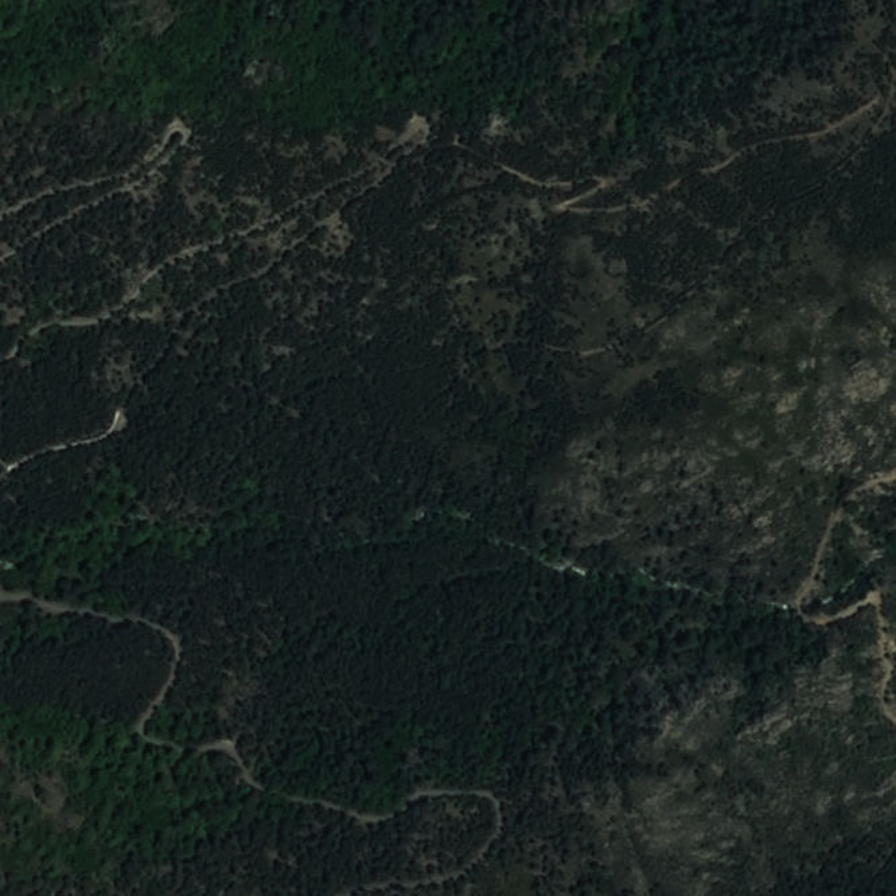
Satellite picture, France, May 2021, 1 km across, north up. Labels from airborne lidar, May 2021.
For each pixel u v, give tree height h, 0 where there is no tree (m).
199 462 24
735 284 9
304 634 27
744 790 12
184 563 20
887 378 0
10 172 17
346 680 23
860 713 10
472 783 17
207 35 15
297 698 24
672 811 0
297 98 17
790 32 23
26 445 16
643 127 10
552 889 13
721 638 37
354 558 34
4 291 14
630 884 0
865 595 6
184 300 12
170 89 7
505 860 24
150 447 32
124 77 12
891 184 12
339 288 16
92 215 22
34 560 18
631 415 9
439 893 26
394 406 15
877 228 14
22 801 6
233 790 17
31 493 24
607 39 25
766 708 16
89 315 22
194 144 12
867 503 8
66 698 25
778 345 0
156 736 14
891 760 9
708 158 10
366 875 21
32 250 15
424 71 19
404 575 30
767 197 13
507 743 18
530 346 15
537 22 22
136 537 20
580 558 21
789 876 8
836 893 30
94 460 23
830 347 0
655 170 12
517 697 26
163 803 25
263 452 25
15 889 19
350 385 28
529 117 15
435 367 15
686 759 9
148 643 15
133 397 19
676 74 32
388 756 13
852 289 0
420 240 14
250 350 24
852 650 11
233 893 25
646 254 12
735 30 23
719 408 0
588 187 12
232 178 13
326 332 21
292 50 13
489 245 12
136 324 15
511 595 28
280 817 17
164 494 20
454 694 26
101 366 14
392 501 31
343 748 34
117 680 17
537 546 30
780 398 0
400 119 11
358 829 20
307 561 32
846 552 24
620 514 15
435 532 24
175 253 10
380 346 14
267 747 6
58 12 10
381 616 33
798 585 6
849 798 0
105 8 13
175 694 23
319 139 13
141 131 14
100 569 23
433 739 15
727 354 0
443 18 32
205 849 26
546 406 15
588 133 9
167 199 14
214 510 23
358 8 33
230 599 28
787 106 6
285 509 26
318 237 17
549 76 11
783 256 9
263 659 33
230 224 15
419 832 9
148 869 26
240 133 11
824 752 7
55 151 16
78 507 27
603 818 0
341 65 19
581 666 9
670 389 10
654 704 8
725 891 7
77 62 8
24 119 6
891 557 7
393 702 26
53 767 13
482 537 35
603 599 32
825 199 11
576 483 0
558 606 31
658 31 31
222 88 14
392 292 12
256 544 32
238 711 16
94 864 7
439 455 13
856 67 10
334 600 27
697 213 8
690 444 6
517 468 11
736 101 13
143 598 24
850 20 7
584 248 0
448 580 29
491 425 19
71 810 6
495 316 12
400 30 19
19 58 15
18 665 22
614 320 8
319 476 34
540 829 22
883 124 7
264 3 23
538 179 8
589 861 7
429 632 27
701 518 16
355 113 11
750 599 18
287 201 15
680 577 15
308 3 13
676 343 0
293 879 19
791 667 23
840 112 6
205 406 24
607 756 13
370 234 16
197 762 20
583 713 12
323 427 29
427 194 13
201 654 24
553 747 26
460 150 15
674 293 10
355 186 13
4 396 20
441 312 13
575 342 7
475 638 26
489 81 19
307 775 27
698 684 21
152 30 7
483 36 18
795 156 10
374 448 25
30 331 12
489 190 14
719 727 0
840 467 8
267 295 12
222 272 16
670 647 32
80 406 19
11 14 9
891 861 13
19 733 20
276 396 24
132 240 23
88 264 19
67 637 23
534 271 15
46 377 24
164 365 22
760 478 10
